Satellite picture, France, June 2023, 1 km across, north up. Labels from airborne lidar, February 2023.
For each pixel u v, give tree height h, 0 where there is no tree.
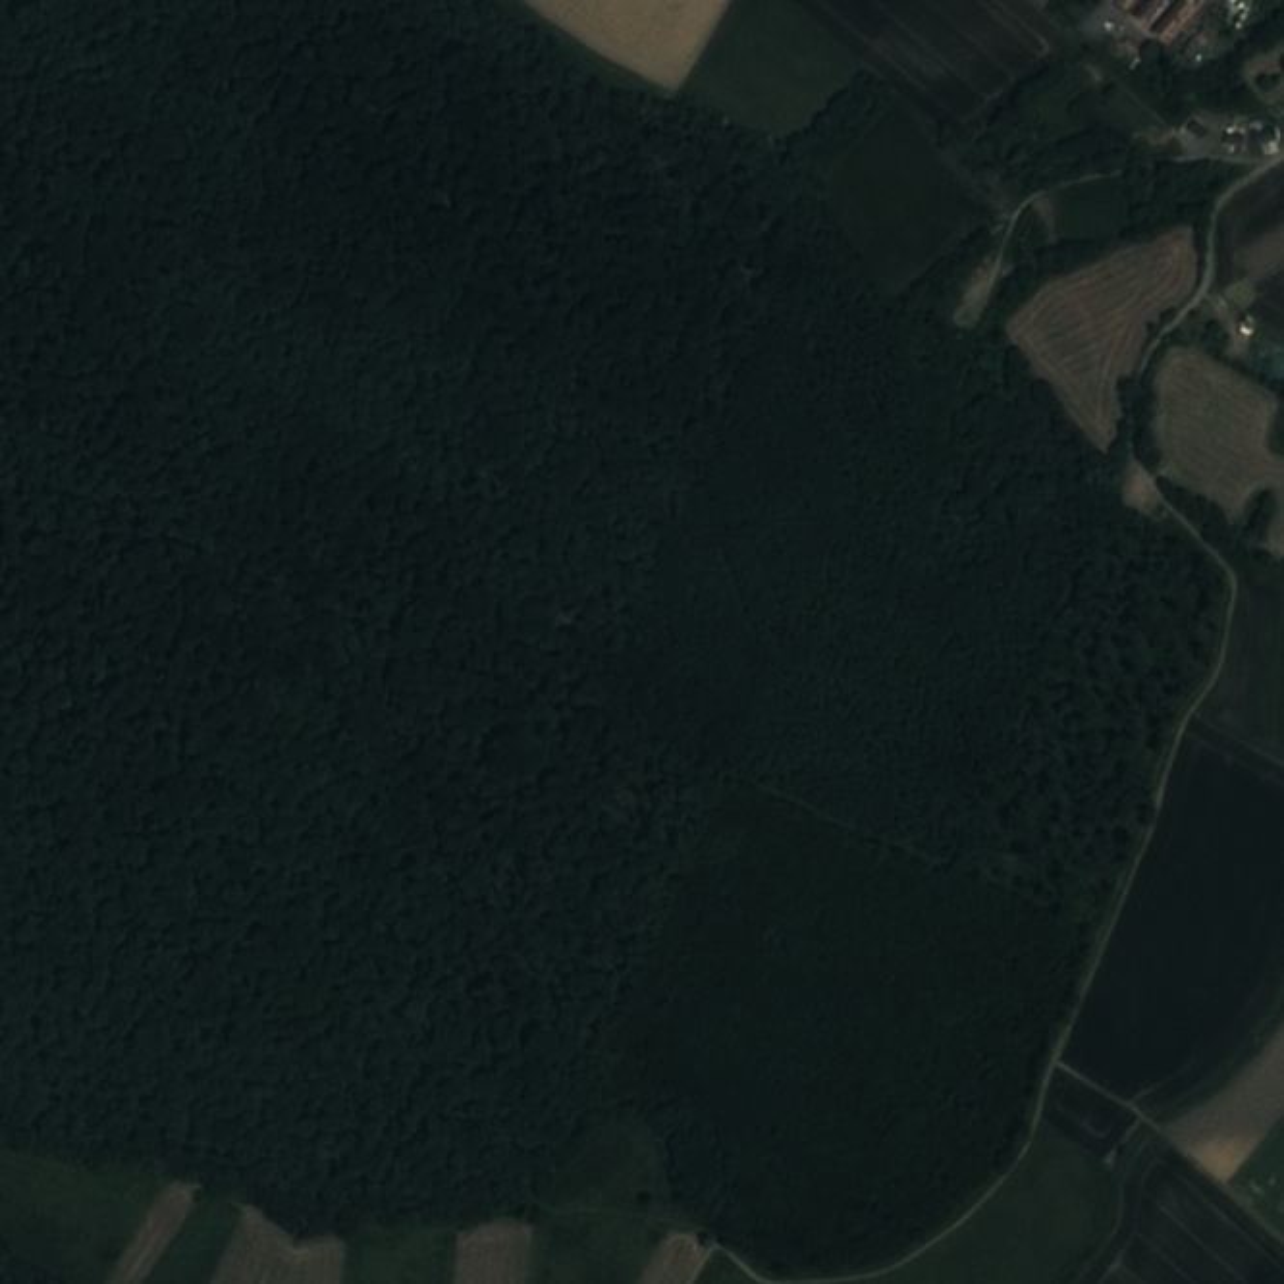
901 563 19
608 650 15
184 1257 0
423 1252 0
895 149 0
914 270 0
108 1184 0
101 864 21
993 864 25
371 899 26
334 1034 25
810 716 16
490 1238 0
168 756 28
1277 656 0
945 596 16
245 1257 0
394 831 27
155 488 24
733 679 17
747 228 26
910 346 22
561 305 23
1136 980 0
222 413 24
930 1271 0
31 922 24
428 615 25
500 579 24
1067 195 0
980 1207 0
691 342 23
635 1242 0
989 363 15
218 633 28
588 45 0
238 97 21
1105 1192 0
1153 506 0
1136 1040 0
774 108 0
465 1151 23
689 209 21
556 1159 21
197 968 28
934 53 0
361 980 25
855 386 16
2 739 26
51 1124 29
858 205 0
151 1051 30
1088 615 26
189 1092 28
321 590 29
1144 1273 0
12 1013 29
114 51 21
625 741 23
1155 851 0
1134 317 0
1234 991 0
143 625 30
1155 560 23
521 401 25
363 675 24
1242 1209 0
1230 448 0
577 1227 0
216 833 27
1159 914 0
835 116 9
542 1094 24
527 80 22
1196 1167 0
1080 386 0
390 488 27
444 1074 25
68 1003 20
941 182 0
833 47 0
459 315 21
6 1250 23
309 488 27
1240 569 0
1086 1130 0
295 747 27
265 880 27
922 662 15
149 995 25
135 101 19
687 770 21
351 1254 0
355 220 20
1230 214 0
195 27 27
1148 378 6
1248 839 0
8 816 26
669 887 18
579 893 22
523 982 29
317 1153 25
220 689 30
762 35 0
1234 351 0
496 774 28
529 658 27
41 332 26
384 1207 23
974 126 0
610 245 24
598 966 22
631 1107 15
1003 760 23
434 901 27
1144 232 14
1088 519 16
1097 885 0
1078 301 0
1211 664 22
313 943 27
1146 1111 0
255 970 23
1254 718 0
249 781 28
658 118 15
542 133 26
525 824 27
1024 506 22
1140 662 28
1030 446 11
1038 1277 0
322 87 26
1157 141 0
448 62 27
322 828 29
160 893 24
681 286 26
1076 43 0
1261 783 0
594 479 27
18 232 31
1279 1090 0
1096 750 27
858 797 19
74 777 30
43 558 26
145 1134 28
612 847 27
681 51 0
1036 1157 0
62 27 22
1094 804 25
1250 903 0
